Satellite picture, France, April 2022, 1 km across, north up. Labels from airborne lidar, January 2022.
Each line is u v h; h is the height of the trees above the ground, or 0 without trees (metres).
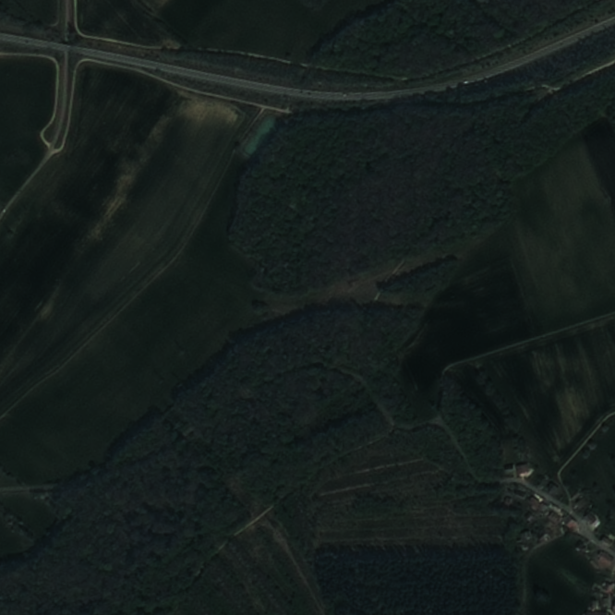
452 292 0
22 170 0
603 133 0
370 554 23
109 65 0
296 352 26
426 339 0
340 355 26
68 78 0
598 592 10
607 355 0
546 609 0
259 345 24
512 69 0
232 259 0
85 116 0
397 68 20
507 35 14
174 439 17
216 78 0
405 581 31
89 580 33
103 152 0
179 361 0
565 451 0
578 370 0
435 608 22
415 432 8
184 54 11
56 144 0
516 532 15
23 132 0
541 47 0
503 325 0
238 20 0
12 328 0
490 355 0
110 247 0
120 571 30
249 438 23
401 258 20
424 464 0
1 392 0
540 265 0
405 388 0
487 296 0
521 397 0
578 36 0
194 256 0
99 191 0
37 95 0
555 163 0
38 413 0
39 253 0
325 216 27
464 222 24
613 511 15
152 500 28
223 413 24
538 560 0
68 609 28
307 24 0
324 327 26
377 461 0
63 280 0
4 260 0
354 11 0
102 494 27
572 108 20
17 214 0
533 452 0
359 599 27
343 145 22
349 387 19
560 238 0
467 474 11
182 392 17
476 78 0
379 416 28
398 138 28
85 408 0
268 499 20
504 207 18
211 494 27
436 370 0
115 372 0
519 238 0
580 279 0
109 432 0
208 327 0
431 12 22
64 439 0
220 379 25
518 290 0
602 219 0
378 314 25
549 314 0
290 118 9
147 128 0
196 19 0
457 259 11
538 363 0
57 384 0
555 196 0
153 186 0
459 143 27
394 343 20
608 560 0
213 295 0
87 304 0
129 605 22
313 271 27
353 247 29
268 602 11
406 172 28
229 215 0
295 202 24
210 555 19
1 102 0
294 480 25
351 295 0
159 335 0
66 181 0
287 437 19
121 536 33
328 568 27
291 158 24
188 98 0
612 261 0
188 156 0
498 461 24
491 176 18
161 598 21
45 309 0
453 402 19
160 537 28
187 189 0
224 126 0
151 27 0
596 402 0
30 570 25
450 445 13
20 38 0
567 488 9
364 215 25
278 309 0
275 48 0
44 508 0
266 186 24
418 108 24
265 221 28
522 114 15
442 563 26
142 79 0
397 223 31
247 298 0
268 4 0
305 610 9
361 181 25
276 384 27
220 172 0
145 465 28
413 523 0
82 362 0
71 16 0
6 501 0
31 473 0
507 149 20
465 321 0
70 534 28
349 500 0
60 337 0
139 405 0
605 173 0
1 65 0
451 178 27
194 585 13
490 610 29
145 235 0
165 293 0
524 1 28
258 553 0
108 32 0
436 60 27
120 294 0
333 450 26
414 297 0
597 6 9
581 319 0
